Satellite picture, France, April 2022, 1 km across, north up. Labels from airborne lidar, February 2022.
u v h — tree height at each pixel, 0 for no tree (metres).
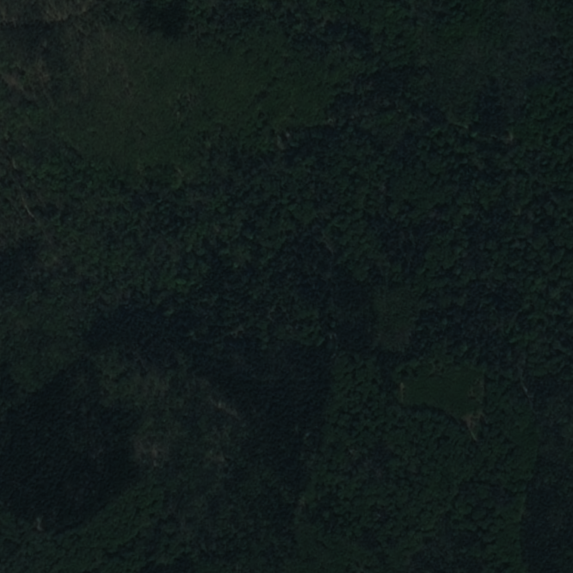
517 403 29
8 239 29
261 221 29
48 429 22
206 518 22
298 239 6
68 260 30
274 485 25
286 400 27
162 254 34
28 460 24
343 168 25
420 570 19
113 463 19
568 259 30
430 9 11
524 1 19
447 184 29
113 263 33
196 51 22
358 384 24
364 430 24
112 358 22
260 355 27
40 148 33
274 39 25
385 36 26
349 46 27
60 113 24
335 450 23
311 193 27
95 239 34
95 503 21
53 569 24
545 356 27
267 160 35
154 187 31
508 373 27
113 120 22
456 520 22
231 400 22
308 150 31
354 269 18
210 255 31
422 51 15
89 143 24
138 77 23
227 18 22
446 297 26
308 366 25
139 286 26
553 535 23
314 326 27
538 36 18
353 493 24
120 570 25
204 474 24
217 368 34
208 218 30
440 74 16
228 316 30
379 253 27
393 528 23
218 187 33
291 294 31
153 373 24
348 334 25
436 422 24
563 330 13
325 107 27
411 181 31
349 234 27
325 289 29
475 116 17
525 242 28
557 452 23
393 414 23
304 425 27
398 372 23
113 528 28
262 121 27
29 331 20
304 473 29
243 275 28
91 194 32
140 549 26
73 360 21
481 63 13
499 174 25
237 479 23
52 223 33
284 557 19
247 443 27
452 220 28
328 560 19
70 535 25
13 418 24
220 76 25
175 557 23
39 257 31
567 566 25
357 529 21
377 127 16
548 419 27
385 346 16
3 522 19
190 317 41
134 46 21
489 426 29
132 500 29
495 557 19
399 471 23
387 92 32
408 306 17
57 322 24
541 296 28
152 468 19
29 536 22
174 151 30
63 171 29
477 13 24
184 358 32
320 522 16
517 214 9
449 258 27
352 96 29
